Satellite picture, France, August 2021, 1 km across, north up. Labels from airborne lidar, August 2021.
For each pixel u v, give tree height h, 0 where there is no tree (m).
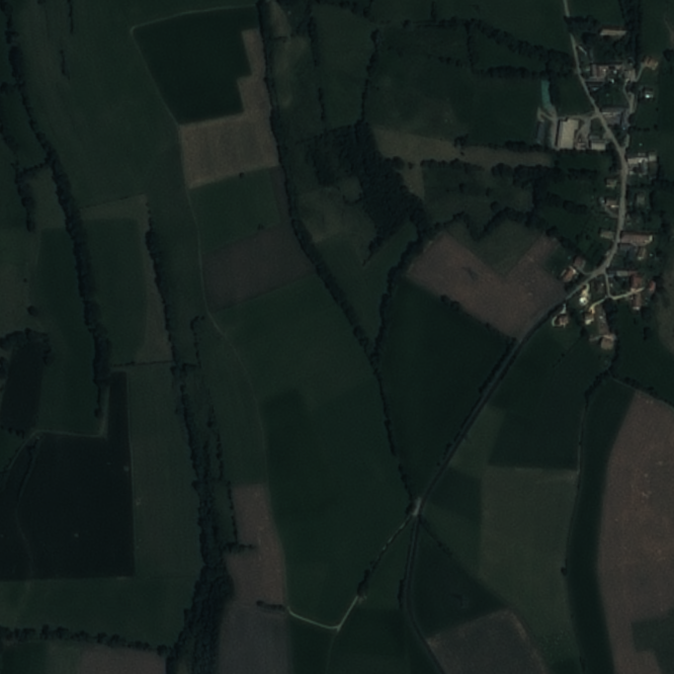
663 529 0
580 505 0
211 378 0
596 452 0
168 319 9
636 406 0
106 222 0
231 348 0
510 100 0
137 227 0
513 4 0
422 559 0
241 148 0
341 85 0
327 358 0
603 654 0
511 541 0
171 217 0
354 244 0
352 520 0
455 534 0
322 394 0
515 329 0
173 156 0
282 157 12
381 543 0
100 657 0
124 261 0
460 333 0
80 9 0
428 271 0
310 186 0
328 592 0
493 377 13
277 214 0
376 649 0
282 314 0
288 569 0
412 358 0
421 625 0
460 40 0
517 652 0
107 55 0
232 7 0
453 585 0
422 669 0
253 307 0
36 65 0
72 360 0
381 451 0
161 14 0
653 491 0
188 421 14
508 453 0
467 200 0
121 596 0
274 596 0
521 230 0
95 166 0
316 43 11
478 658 0
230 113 0
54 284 0
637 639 0
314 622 0
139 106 0
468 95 0
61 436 0
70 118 0
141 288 0
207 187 0
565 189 0
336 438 0
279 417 0
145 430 0
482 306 0
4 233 0
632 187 8
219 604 16
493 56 0
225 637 0
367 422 0
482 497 0
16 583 0
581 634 0
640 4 11
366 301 0
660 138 0
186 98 0
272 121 13
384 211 13
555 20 0
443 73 0
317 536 0
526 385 0
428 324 0
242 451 0
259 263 0
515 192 0
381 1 0
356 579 0
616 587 0
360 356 0
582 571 0
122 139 0
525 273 0
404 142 0
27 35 0
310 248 20
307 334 0
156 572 0
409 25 16
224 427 0
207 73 0
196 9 0
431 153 0
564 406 0
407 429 0
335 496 0
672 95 0
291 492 0
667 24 0
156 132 0
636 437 0
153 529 0
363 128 18
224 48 0
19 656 0
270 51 8
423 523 12
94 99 0
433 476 0
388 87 0
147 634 0
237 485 0
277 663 0
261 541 0
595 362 0
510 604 0
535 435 0
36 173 13
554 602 0
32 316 15
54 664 0
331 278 20
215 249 0
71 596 0
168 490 0
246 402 0
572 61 14
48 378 0
